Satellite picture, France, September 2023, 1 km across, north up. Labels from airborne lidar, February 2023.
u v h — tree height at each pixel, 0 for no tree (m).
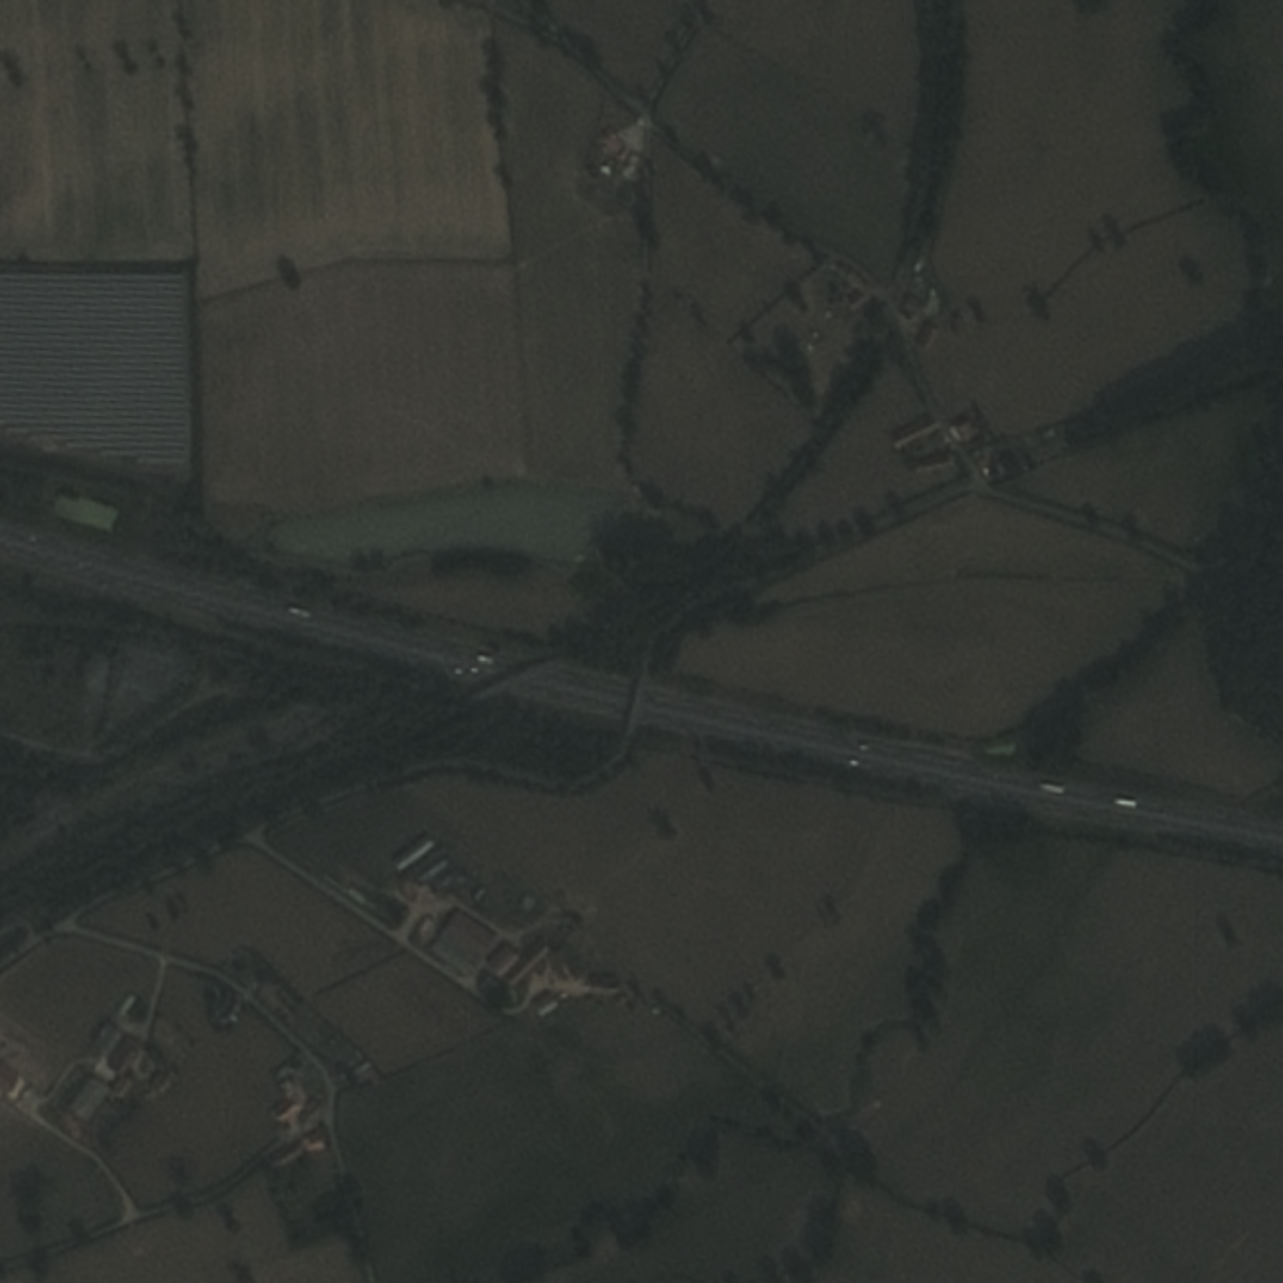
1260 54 0
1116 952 0
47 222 0
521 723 7
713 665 0
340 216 0
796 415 0
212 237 0
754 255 0
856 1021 0
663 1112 0
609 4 0
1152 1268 0
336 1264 0
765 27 0
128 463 0
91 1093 0
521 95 0
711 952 0
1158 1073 0
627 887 0
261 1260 0
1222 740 0
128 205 0
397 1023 0
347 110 0
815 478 0
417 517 0
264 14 0
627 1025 0
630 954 0
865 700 0
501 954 0
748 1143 0
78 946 0
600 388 0
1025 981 0
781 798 0
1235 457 0
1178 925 0
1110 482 0
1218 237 0
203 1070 0
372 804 0
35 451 0
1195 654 0
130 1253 0
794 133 0
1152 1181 0
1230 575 6
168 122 0
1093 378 0
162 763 0
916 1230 0
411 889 0
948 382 0
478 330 0
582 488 0
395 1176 0
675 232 0
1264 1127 0
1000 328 0
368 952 0
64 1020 0
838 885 0
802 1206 0
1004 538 0
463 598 0
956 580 0
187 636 9
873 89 0
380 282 0
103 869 10
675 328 0
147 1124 0
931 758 0
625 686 0
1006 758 0
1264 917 0
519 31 0
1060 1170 0
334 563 0
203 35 0
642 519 0
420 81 0
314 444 0
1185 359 14
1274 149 0
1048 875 0
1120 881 0
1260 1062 0
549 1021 0
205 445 0
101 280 0
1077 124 0
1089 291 0
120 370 0
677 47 16
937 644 0
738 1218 0
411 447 0
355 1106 0
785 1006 0
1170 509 0
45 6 0
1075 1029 0
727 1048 0
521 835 0
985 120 0
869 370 10
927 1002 18
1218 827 0
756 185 0
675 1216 0
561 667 0
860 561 0
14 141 0
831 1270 0
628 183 0
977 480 0
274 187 0
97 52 0
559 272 0
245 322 0
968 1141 0
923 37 13
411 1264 0
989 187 0
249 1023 0
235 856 0
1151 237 0
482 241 0
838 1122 0
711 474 0
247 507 0
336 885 0
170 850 11
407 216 0
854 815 0
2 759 19
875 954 0
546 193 0
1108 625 0
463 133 0
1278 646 18
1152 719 0
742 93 0
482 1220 0
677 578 10
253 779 6
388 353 0
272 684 9
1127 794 0
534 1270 21
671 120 0
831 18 0
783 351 19
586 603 0
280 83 0
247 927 0
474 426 0
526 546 0
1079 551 0
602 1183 0
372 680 11
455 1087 0
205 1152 0
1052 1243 16
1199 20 16
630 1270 0
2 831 8
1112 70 0
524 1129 0
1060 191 0
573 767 7
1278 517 28
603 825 0
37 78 0
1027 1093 0
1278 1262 0
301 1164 7
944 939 0
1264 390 0
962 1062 0
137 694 0
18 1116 0
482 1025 0
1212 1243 0
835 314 0
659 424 0
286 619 0
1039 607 0
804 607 0
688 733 0
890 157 0
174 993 0
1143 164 0
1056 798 0
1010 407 0
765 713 0
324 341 0
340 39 0
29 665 0
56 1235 0
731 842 0
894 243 0
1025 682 0
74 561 0
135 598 0
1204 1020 0
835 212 0
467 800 0
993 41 0
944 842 0
